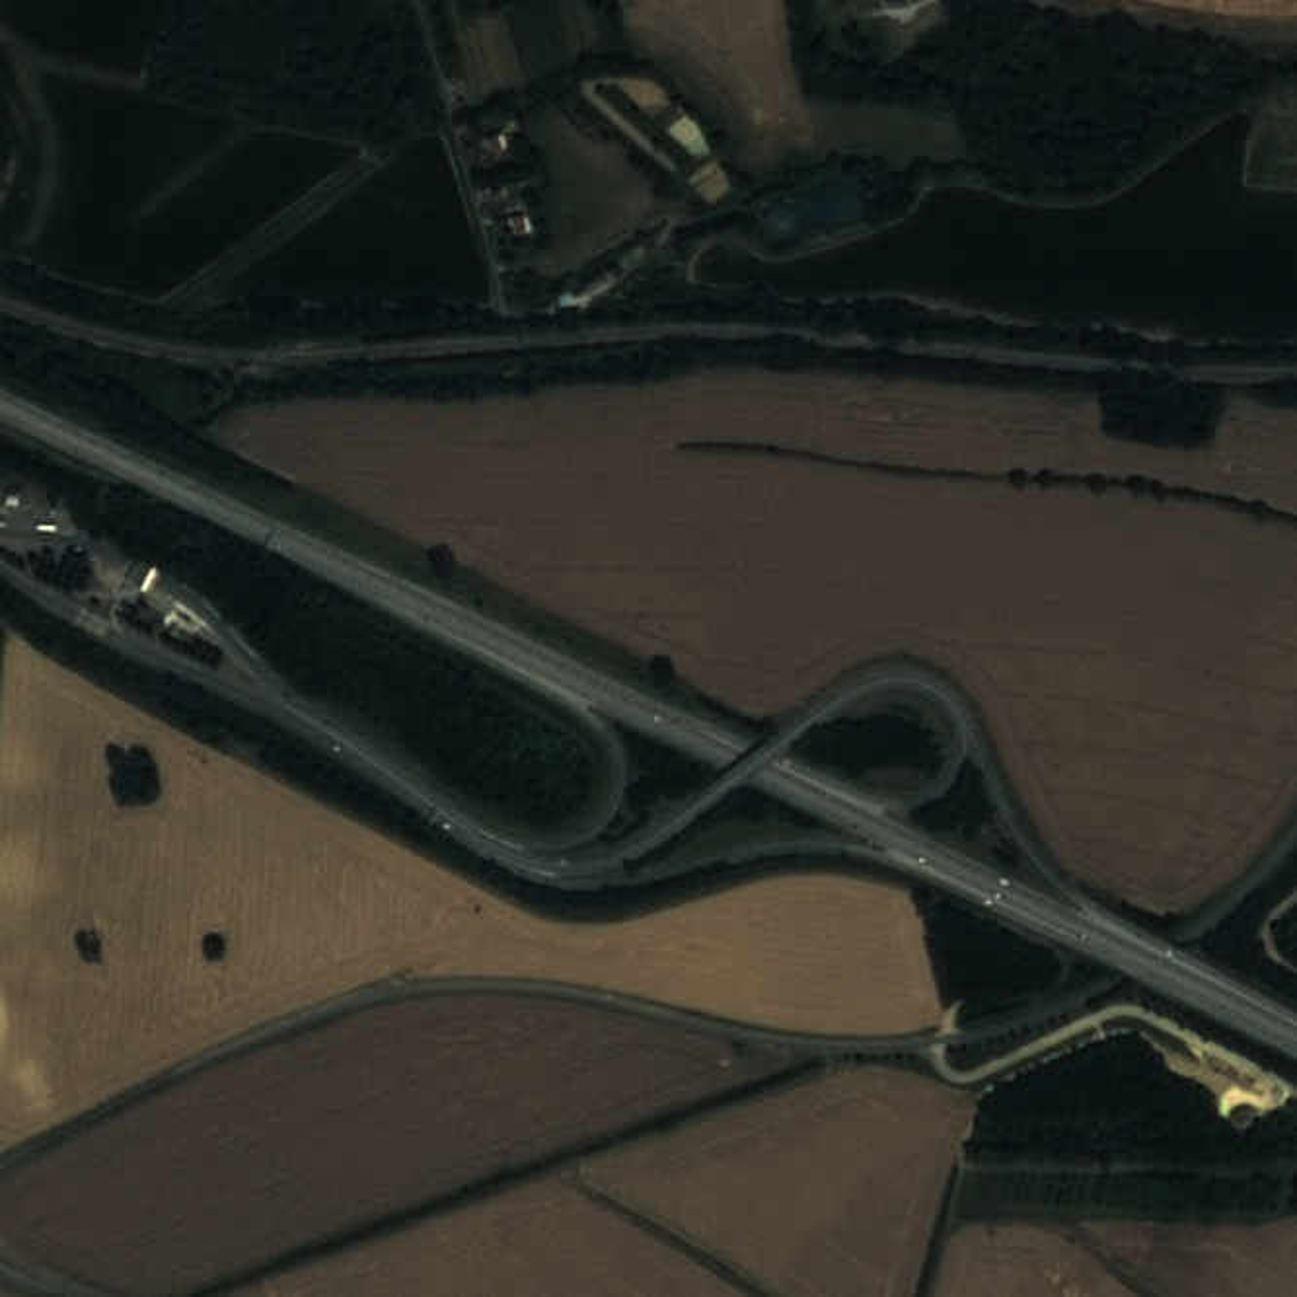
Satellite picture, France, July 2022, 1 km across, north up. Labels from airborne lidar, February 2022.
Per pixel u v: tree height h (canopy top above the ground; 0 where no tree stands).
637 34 0
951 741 0
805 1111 0
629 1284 0
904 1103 0
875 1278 0
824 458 0
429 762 8
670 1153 0
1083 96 9
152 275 0
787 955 0
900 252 0
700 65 0
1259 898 8
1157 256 0
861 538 0
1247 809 0
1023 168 7
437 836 5
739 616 0
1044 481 11
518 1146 0
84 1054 0
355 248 0
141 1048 0
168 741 0
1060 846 0
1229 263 0
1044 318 0
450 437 0
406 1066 0
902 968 0
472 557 0
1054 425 0
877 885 0
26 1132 0
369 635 10
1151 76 7
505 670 0
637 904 8
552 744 6
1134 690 0
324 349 0
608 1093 0
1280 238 0
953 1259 0
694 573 0
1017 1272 0
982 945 13
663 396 0
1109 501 0
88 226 0
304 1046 0
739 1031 0
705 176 0
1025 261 0
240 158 0
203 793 0
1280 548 0
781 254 8
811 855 0
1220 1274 0
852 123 0
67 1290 0
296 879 0
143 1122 0
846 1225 0
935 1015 0
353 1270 0
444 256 0
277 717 0
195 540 7
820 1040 0
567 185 0
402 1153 0
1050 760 0
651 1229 0
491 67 0
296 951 0
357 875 0
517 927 0
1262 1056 10
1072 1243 0
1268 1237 0
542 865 0
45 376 15
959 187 0
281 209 0
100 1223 0
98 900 0
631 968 0
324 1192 0
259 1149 0
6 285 9
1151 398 20
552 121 0
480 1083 0
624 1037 0
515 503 0
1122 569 0
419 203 0
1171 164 0
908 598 0
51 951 0
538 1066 0
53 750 0
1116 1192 10
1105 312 0
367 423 0
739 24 0
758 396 0
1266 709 0
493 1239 0
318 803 0
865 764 8
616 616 0
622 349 11
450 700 12
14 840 0
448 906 0
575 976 0
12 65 0
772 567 0
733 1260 0
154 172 0
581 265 0
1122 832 0
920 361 7
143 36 0
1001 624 0
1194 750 0
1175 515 0
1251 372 0
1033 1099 16
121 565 0
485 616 0
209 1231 0
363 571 0
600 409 0
